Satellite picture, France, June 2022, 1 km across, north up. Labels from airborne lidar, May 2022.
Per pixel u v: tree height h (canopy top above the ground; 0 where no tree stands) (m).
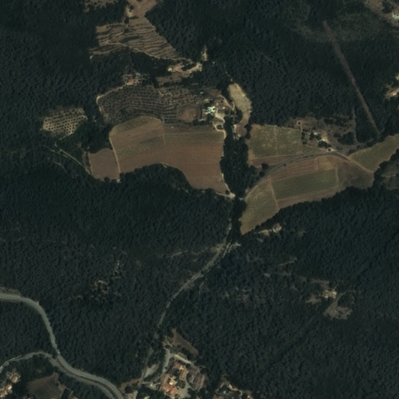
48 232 11
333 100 21
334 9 6
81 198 9
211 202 22
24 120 16
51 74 15
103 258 18
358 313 14
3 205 15
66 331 19
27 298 21
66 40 7
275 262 18
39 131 14
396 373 21
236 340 24
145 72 8
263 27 6
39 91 23
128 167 0
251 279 8
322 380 8
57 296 17
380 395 18
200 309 9
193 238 21
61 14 14
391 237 15
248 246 15
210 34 12
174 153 0
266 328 19
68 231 16
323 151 0
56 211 9
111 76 24
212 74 16
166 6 8
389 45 9
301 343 13
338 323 8
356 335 6
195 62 14
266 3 20
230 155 9
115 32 0
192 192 11
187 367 9
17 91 21
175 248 14
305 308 8
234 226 17
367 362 22
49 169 10
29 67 24
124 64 8
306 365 21
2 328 19
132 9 8
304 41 10
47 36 9
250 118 9
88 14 6
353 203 17
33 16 6
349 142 15
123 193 21
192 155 0
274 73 18
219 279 6
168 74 10
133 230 17
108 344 15
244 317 22
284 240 10
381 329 8
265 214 0
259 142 0
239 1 19
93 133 14
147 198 17
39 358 17
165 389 0
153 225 6
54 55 10
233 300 17
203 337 7
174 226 6
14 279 8
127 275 13
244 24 9
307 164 0
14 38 21
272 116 23
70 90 26
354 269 20
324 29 7
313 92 24
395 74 7
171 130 0
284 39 6
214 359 25
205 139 0
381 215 15
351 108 11
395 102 13
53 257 20
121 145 0
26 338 24
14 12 9
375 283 19
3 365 6
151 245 13
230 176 9
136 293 21
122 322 16
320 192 0
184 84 12
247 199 0
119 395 0
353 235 21
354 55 7
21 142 11
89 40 9
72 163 20
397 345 6
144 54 9
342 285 7
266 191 0
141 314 8
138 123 0
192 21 10
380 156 0
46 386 0
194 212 23
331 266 24
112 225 15
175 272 18
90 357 21
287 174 0
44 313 0
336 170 0
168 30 19
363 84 15
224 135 0
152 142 0
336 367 19
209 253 16
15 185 19
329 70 11
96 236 15
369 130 17
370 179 0
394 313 15
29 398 13
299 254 19
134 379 10
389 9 6
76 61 10
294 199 0
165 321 9
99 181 12
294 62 11
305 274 9
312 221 22
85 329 13
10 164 18
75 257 20
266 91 20
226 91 15
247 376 18
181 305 13
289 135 0
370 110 9
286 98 20
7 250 6
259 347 20
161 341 14
